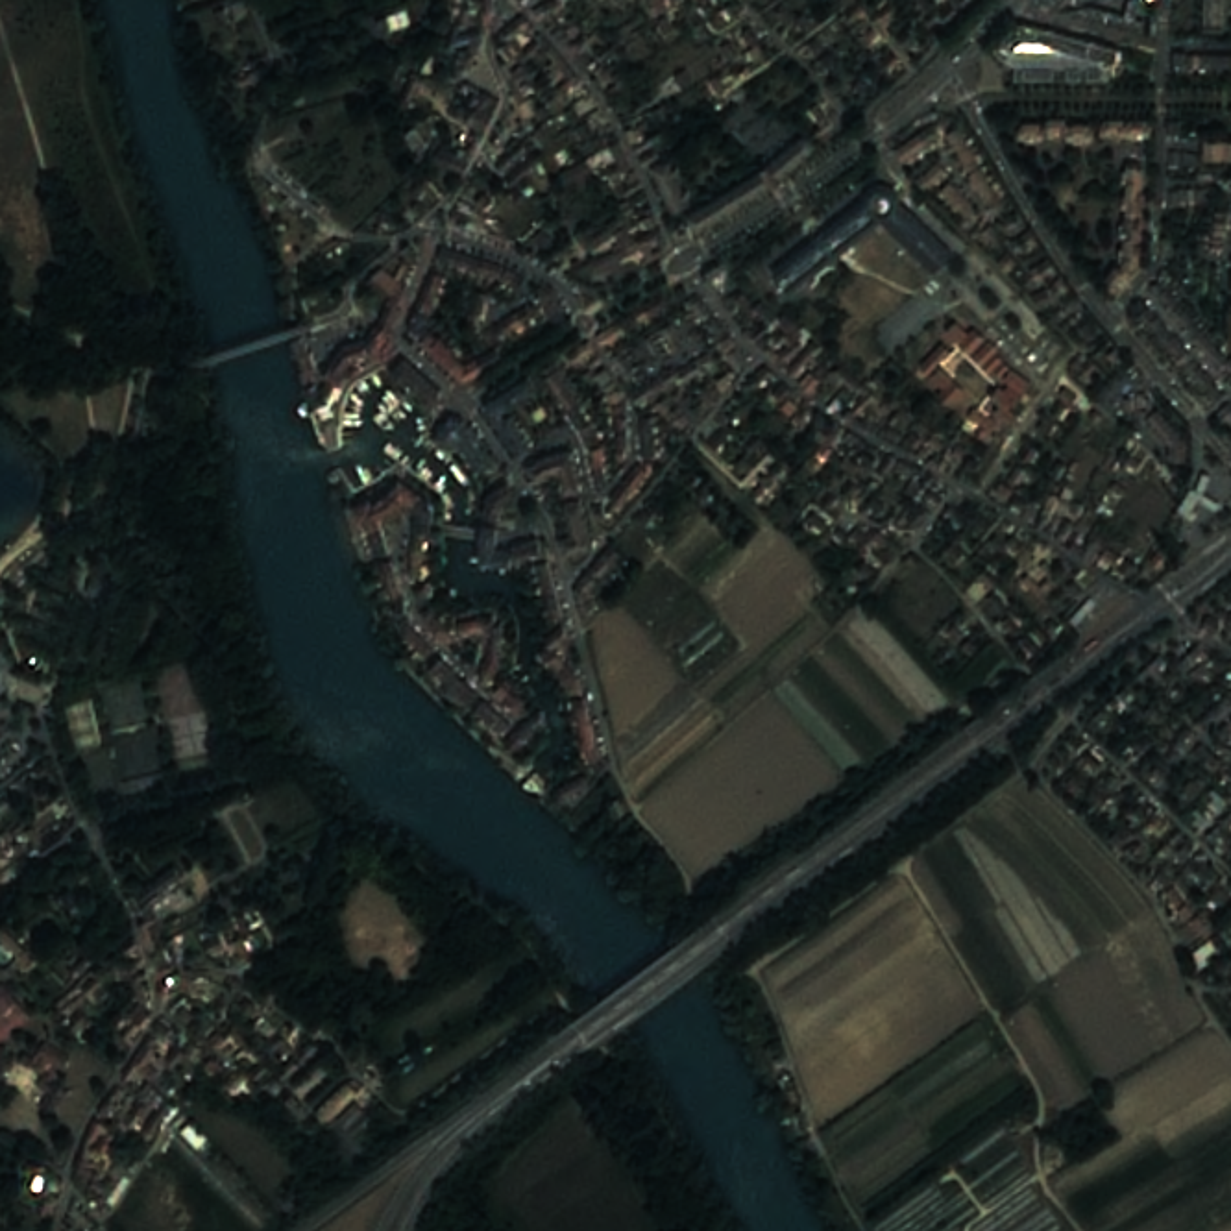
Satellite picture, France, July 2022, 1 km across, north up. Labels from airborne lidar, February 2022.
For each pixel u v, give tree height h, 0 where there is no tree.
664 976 0
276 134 0
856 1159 0
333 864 18
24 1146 14
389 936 0
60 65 0
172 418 30
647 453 0
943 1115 0
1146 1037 0
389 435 0
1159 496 0
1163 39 0
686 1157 14
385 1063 6
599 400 10
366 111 20
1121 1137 8
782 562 0
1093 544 0
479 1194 8
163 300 16
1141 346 0
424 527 0
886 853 13
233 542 6
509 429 0
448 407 0
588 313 0
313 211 0
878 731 0
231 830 0
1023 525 0
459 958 9
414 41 11
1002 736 0
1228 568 0
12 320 15
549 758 0
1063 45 0
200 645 13
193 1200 0
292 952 17
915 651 0
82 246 19
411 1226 0
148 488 17
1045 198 13
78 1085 0
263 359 0
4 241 0
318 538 0
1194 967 17
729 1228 9
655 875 17
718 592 0
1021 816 0
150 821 23
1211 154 0
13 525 0
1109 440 0
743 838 0
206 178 0
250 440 0
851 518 0
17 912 21
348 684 0
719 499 22
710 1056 0
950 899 0
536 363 14
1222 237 0
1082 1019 0
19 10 0
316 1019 11
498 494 0
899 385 16
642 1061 9
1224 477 0
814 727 0
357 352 0
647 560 0
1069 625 6
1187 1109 0
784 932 8
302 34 10
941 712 0
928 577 0
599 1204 0
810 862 0
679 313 7
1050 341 0
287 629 0
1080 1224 0
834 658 0
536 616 7
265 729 15
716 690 0
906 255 0
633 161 0
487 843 0
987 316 0
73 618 20
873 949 0
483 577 0
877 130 0
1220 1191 0
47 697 0
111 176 0
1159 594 0
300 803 0
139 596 28
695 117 8
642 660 0
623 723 0
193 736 0
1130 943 0
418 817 0
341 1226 0
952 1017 0
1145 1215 0
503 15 0
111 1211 0
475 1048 0
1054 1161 0
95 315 20
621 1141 11
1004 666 0
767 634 0
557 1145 0
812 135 11
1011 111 11
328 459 0
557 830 0
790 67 12
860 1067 0
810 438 13
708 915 12
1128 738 9
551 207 11
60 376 17
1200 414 0
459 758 0
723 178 11
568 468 0
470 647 6
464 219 0
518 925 15
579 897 0
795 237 7
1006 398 0
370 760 0
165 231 10
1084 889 0
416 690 0
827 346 6
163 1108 0
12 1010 0
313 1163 11
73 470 15
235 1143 0
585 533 0
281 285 14
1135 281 0
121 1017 7
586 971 0
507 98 0
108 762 0
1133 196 0
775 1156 0
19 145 0
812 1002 0
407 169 19
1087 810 7
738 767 0
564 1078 11
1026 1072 0
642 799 0
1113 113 8
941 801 15
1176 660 15
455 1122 0
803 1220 0
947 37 19
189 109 0
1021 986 0
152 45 0
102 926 20
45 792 12
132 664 15
